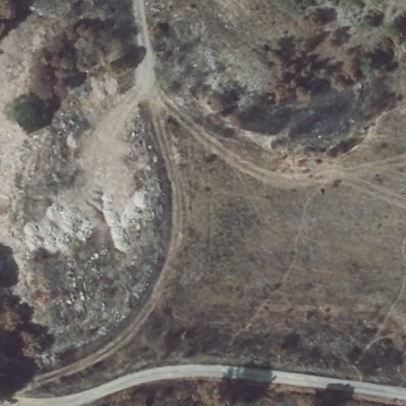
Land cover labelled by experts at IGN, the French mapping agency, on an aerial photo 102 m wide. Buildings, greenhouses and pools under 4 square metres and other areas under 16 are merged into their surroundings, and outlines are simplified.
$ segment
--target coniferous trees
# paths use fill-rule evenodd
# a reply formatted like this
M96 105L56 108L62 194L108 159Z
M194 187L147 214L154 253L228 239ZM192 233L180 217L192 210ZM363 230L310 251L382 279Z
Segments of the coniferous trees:
M71 10L65 14L67 27L63 29L62 35L54 36L54 46L33 52L30 75L35 78L32 79L29 94L19 95L13 100L14 121L21 125L25 133L38 132L35 128L35 113L30 108L30 103L36 97L51 98L57 95L62 101L67 97L68 87L79 87L82 82L86 82L86 73L81 73L79 68L94 67L100 57L108 56L111 51L121 56L111 62L114 73L124 68L136 68L146 56L146 49L136 44L138 27L133 16L133 0L76 0L71 5Z
M266 396L254 403L236 401L235 406L312 406L312 398L317 389L271 382Z
M30 6L36 0L0 0L0 43L11 30L19 27L21 22L30 16Z
M5 328L5 330L14 330L14 324L16 324L17 319L19 319L19 314L13 314L13 312L3 312L3 314L0 314L0 328Z

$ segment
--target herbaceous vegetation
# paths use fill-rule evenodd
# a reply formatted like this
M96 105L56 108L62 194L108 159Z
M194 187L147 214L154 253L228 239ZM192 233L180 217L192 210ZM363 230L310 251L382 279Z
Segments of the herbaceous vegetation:
M366 16L381 13L384 14L385 22L393 22L406 11L406 0L282 0L287 8L292 8L295 13L300 14L303 21L308 24L316 21L317 10L335 10L336 21L341 27L349 27L349 33L357 30Z

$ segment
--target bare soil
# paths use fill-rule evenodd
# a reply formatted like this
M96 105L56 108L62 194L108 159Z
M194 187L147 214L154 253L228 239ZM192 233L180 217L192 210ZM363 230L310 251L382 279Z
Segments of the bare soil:
M111 343L119 333L132 324L140 309L151 298L155 281L159 278L163 263L167 259L173 228L173 192L152 122L151 108L146 101L138 103L140 114L132 121L130 117L122 114L121 106L114 106L114 100L132 89L135 84L136 68L124 68L114 73L111 62L121 56L111 51L108 56L100 57L94 67L79 68L81 73L86 73L86 82L82 82L79 87L68 87L67 97L62 101L57 95L51 98L36 97L30 103L30 108L35 113L35 128L38 132L25 133L21 125L14 121L13 100L19 95L29 94L32 79L35 78L30 75L33 52L54 46L54 36L62 35L63 29L67 27L65 14L71 10L71 5L76 0L36 0L30 6L30 16L21 22L19 27L11 30L0 43L0 314L3 314L3 312L13 312L13 314L19 314L19 319L17 319L16 324L14 324L14 330L5 330L5 328L0 328L0 403L16 403L14 393L24 389L36 374L49 373L52 370L59 370L62 366L84 360Z
M181 187L182 233L178 233L178 239L181 239L182 247L176 255L178 259L171 265L171 268L176 270L176 276L171 282L163 285L162 308L155 308L151 312L146 324L136 331L132 341L117 349L111 357L89 366L86 370L71 376L62 376L59 382L49 382L40 385L38 389L33 389L35 398L86 392L127 374L176 365L238 366L247 370L282 371L406 389L406 11L393 22L385 22L384 14L381 13L366 16L357 30L349 33L349 27L341 27L336 21L335 10L317 10L316 21L308 24L303 21L300 14L295 13L292 8L287 8L282 0L144 0L147 29L155 54L154 82L165 94L178 95L184 100L184 105L179 105L178 108L173 108L168 103L168 119L165 122L167 132L178 138L178 146L171 147L171 159L179 163L179 170L186 176L187 181L187 186Z
M82 406L235 406L236 401L254 403L266 396L271 382L249 381L241 377L232 379L227 376L162 379L117 390Z
M355 393L350 385L330 384L325 389L317 389L312 398L312 406L406 406L406 400Z

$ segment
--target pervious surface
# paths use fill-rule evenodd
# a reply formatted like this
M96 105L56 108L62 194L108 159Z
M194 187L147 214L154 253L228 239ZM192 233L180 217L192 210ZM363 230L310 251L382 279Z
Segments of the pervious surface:
M117 390L162 379L227 376L232 379L241 377L249 381L271 382L317 389L325 389L330 384L350 385L355 393L406 400L406 389L282 371L247 370L238 366L176 365L127 374L86 392L35 398L33 389L38 389L40 385L49 382L59 382L62 376L71 376L86 370L89 366L111 357L117 349L132 341L136 331L146 324L151 312L155 308L162 308L163 285L171 282L176 276L176 270L171 268L171 265L178 259L176 255L182 247L181 239L178 239L178 233L182 233L181 187L187 186L187 181L186 176L179 170L179 163L171 159L171 147L178 146L178 138L167 132L165 122L168 119L168 103L173 108L178 108L179 105L184 105L184 100L178 95L165 94L154 82L155 54L147 29L144 0L133 0L133 16L138 27L136 44L146 49L146 56L136 68L135 84L132 89L114 100L114 106L121 106L122 114L130 117L132 121L140 114L138 103L146 101L151 108L152 122L173 192L173 228L167 259L163 263L159 278L155 281L151 298L140 309L132 324L119 333L111 343L84 360L62 366L59 370L52 370L49 373L36 374L24 389L14 393L16 403L0 403L0 406L82 406Z

